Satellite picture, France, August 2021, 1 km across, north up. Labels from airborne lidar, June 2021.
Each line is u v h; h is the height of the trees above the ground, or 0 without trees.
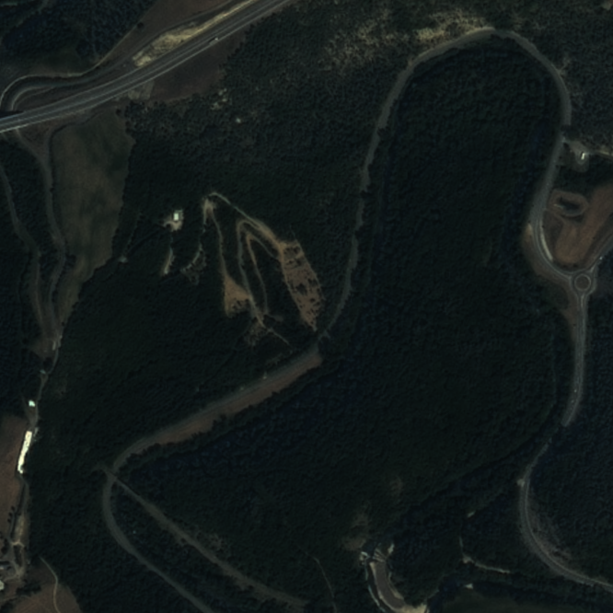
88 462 7
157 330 23
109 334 13
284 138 14
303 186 16
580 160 0
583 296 0
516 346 26
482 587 14
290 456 24
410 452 13
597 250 0
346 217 20
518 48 15
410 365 18
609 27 10
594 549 11
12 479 0
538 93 21
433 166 22
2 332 24
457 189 19
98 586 21
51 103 0
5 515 0
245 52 9
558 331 8
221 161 7
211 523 13
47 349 0
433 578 8
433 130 20
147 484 17
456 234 18
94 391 15
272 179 8
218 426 17
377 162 12
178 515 19
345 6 7
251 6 0
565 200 0
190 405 22
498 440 19
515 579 22
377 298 13
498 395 24
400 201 20
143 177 15
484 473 21
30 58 7
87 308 18
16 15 14
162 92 0
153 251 16
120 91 0
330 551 13
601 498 17
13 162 17
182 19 0
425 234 23
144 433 27
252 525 13
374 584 0
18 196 18
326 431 21
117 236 9
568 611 0
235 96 6
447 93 15
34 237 12
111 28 11
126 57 0
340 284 14
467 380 25
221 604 9
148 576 18
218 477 21
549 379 27
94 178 0
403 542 18
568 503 21
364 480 15
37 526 11
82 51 17
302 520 14
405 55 8
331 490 15
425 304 13
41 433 6
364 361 26
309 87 12
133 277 11
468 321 19
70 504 15
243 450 26
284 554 19
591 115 13
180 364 18
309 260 17
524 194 12
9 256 19
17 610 0
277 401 17
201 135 8
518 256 17
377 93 13
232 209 6
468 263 18
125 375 16
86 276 0
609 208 0
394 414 18
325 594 11
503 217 16
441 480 18
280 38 11
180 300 23
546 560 0
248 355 16
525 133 12
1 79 0
